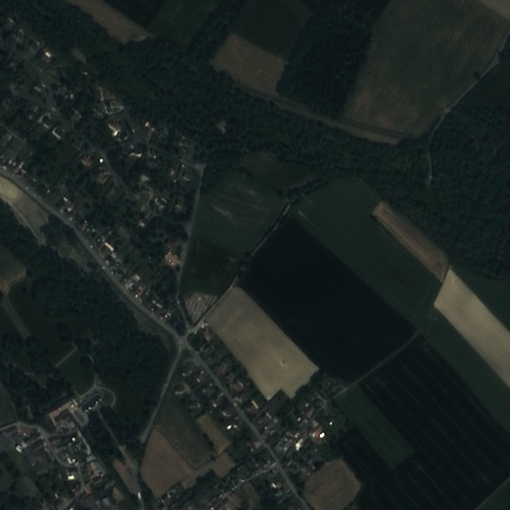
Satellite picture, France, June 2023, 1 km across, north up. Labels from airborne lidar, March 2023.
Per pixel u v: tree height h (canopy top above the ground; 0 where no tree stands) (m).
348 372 0
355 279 0
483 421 0
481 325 0
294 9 0
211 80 14
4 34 12
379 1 0
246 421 0
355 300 0
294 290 0
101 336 11
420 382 0
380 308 0
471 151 12
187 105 20
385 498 0
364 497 0
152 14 0
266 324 0
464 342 0
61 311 23
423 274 0
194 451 0
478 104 0
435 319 0
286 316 0
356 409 0
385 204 0
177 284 9
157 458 0
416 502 0
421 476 0
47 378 0
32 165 11
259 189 0
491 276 11
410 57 0
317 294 0
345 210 0
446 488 0
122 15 0
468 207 16
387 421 0
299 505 0
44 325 0
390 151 14
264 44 0
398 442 0
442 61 0
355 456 0
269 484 10
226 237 0
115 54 6
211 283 0
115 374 18
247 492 0
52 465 0
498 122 14
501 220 17
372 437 0
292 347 0
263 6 0
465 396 0
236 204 0
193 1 0
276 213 0
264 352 0
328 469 0
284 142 0
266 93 0
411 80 0
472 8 0
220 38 21
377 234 0
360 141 10
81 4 0
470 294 0
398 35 0
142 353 22
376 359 0
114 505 0
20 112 10
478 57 0
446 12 0
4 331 0
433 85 0
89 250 0
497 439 0
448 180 17
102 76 17
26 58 0
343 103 14
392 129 0
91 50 0
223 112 17
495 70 0
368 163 19
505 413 0
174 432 0
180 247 6
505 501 0
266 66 0
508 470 0
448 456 0
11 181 0
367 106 0
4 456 14
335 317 0
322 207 0
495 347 0
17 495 0
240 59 0
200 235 0
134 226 6
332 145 18
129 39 0
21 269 0
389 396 0
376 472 0
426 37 0
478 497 0
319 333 0
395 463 0
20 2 13
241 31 0
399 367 0
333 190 0
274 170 0
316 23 18
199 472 0
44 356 18
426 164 18
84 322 18
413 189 7
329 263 0
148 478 0
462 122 7
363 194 0
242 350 0
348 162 14
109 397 0
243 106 16
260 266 0
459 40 0
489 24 0
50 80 0
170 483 0
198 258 0
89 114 7
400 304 0
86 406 0
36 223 0
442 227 20
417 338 0
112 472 12
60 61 0
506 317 0
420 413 0
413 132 0
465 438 0
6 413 0
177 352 0
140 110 15
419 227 6
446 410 0
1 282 0
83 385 0
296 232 0
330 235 0
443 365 0
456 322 0
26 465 0
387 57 0
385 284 0
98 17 0
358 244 0
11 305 0
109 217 16
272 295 0
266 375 0
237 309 0
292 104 0
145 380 22
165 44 17
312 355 0
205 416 0
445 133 10
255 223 0
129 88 6
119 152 12
